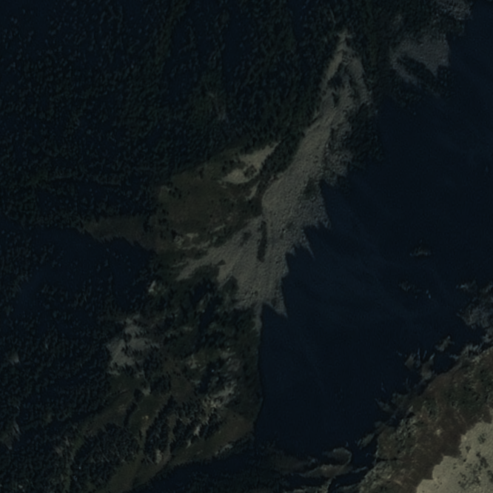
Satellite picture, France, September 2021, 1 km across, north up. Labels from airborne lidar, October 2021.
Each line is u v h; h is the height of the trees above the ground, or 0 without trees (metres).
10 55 11
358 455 0
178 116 7
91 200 18
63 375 25
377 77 5
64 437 19
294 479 0
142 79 9
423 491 0
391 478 0
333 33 8
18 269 17
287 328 0
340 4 12
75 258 17
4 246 24
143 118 6
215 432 10
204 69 9
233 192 0
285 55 7
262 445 10
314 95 9
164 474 6
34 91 16
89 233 0
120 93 7
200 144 8
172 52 6
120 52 8
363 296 0
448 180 0
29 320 19
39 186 12
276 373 0
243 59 9
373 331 0
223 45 6
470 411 0
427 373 0
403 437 6
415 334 0
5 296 13
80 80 12
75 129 8
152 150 9
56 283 10
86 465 15
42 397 11
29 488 15
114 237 0
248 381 7
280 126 8
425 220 8
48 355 14
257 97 8
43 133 18
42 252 23
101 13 11
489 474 0
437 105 0
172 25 10
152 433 24
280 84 8
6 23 11
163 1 9
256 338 0
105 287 5
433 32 0
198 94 8
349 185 6
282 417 0
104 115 9
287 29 7
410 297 9
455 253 5
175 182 0
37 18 8
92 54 13
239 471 6
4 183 10
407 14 7
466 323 0
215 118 7
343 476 0
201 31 10
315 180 0
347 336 12
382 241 6
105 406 6
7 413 28
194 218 0
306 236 0
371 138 6
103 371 7
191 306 0
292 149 6
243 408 0
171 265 0
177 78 8
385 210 0
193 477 9
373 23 6
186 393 0
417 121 8
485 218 5
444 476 0
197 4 8
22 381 15
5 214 9
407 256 6
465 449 0
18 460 23
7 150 19
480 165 9
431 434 0
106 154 7
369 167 7
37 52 20
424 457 0
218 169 0
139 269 10
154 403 0
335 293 0
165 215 7
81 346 14
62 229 9
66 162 7
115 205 6
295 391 7
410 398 0
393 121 6
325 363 7
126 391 0
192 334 0
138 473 0
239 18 9
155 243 0
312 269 0
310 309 0
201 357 0
